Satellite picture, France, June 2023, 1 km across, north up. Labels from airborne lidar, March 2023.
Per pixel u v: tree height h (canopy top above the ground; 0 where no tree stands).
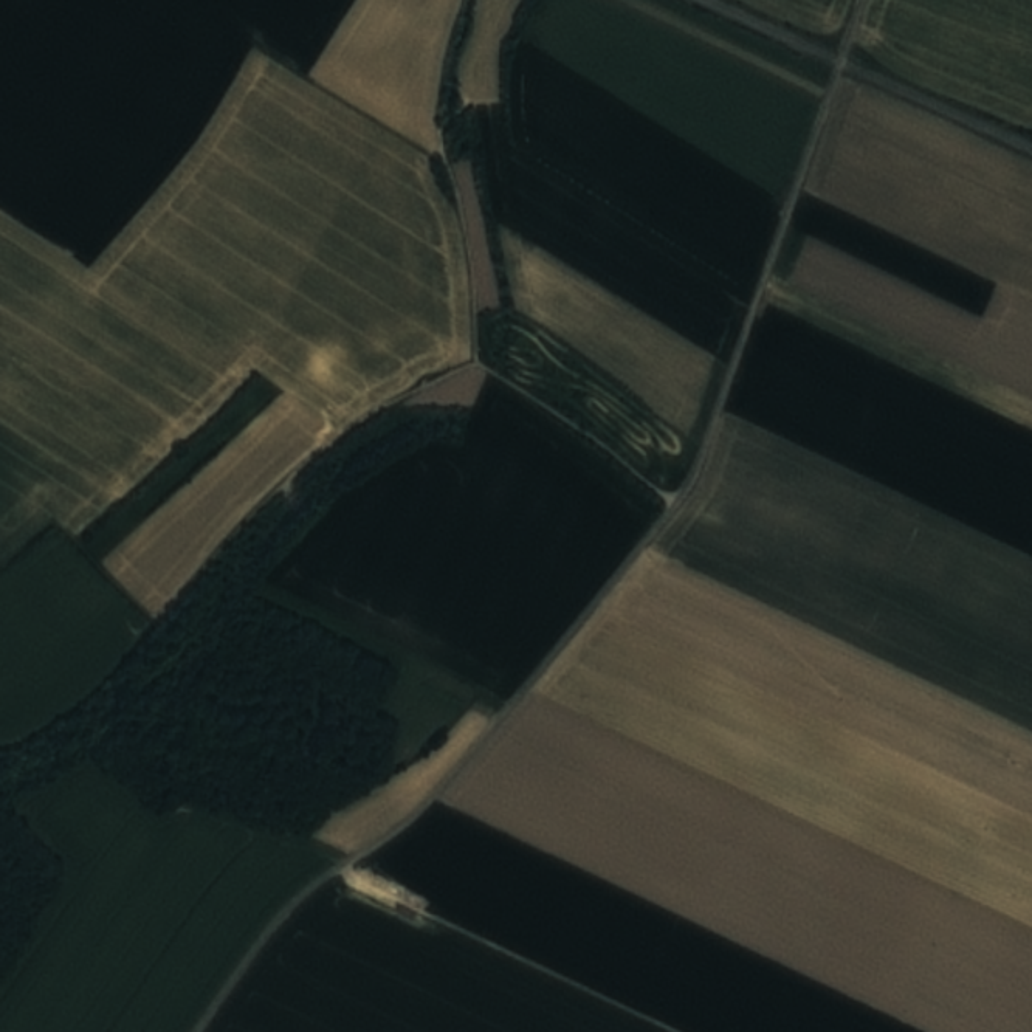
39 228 0
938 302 0
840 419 0
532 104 0
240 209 0
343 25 0
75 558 0
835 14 0
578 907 0
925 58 0
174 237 0
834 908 0
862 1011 0
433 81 0
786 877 0
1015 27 0
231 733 24
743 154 0
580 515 0
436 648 0
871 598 0
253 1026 0
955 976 0
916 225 0
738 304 0
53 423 0
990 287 0
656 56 0
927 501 0
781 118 0
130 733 20
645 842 0
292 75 0
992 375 0
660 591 0
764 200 0
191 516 0
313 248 0
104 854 0
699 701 0
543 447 0
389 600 0
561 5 0
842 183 0
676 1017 0
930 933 0
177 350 0
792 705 0
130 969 0
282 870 0
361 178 0
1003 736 0
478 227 0
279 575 0
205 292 0
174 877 0
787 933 0
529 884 0
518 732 0
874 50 0
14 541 0
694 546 0
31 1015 0
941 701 0
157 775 23
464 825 0
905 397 0
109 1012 0
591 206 0
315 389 0
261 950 0
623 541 0
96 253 0
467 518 0
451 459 0
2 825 19
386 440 10
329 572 0
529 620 0
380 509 0
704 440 0
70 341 0
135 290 0
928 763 0
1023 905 0
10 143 0
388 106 0
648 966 0
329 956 0
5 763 18
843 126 0
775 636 0
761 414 0
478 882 0
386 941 0
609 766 0
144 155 0
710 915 0
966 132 0
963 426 0
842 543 0
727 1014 0
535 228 0
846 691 0
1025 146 0
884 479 0
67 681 0
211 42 0
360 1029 0
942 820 0
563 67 0
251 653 20
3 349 0
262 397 0
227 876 0
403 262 0
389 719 16
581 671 0
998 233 0
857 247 0
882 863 0
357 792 13
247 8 0
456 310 0
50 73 0
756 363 0
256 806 19
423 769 0
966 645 0
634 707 0
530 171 0
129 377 0
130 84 0
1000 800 0
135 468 0
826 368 0
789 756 0
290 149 0
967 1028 0
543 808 0
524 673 0
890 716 0
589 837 0
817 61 0
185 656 13
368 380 0
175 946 0
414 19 0
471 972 0
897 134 0
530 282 0
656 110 0
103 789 0
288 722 20
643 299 0
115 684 6
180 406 0
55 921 0
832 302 0
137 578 0
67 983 0
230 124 0
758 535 0
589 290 0
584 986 0
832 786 0
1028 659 0
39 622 0
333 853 0
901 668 0
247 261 0
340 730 20
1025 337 0
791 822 0
